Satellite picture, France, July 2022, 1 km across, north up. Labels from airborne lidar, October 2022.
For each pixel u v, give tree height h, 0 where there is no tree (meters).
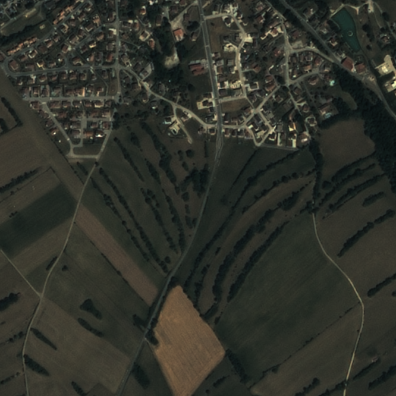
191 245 0
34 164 0
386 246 0
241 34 0
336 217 0
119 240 0
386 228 0
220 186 0
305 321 0
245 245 13
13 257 0
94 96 0
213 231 0
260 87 0
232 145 0
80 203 0
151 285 0
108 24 0
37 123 0
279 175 0
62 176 0
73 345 0
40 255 0
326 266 0
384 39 0
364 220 0
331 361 0
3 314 0
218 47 0
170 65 0
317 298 0
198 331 0
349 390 0
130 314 0
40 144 0
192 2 0
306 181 0
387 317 0
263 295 0
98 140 0
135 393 0
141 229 13
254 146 0
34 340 0
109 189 0
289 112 6
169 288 8
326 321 0
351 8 0
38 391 0
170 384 0
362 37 0
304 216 0
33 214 0
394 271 0
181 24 0
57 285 0
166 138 0
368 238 0
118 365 0
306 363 0
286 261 0
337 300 0
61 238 0
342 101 12
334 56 0
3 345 0
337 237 0
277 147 0
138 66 0
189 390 0
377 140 21
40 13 0
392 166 25
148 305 0
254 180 19
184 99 7
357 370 0
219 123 0
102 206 0
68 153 0
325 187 17
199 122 0
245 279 11
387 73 0
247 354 0
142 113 8
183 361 0
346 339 0
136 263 0
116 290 0
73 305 0
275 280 0
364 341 0
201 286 20
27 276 0
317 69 0
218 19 0
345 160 0
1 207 0
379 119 9
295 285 0
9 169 0
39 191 0
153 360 0
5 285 0
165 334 0
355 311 0
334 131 0
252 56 8
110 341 0
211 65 0
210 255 0
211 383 0
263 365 0
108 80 0
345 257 0
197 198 0
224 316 0
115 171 0
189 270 0
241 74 0
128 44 7
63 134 0
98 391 0
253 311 0
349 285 0
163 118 0
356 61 0
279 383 0
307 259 0
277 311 0
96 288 0
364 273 0
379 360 8
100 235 0
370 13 0
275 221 0
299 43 0
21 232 0
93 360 0
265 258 0
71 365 0
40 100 0
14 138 0
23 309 0
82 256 0
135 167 6
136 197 0
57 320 0
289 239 0
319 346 0
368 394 0
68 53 0
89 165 0
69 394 0
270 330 0
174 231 0
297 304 0
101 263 0
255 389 0
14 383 0
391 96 0
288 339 0
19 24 0
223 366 0
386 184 0
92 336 0
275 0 20
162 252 0
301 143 0
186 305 0
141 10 6
